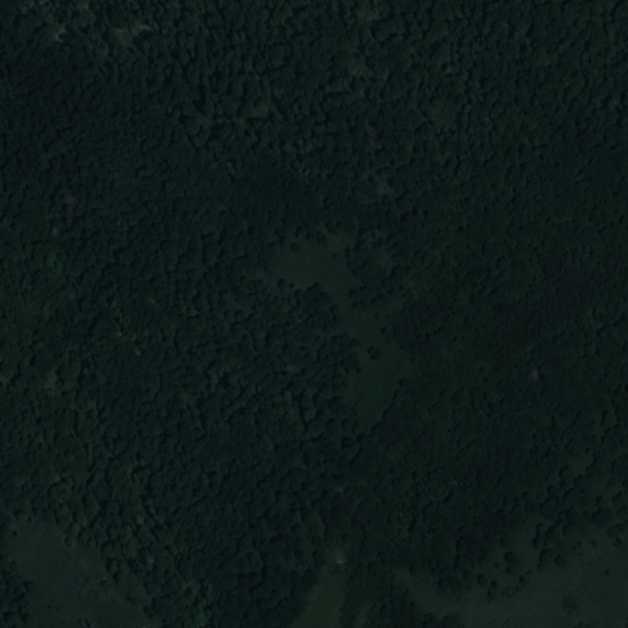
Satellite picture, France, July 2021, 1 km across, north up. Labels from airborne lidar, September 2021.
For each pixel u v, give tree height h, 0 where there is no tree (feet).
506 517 75
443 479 86
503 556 0
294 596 36
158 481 92
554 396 94
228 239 72
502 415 81
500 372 69
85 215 31
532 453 36
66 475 94
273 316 43
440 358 52
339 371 55
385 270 53
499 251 72
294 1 91
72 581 0
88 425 103
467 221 65
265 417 102
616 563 0
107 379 91
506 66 58
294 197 74
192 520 39
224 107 112
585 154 91
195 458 87
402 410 50
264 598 79
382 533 80
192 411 89
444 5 95
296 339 54
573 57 110
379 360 31
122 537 92
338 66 85
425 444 71
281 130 85
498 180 78
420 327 59
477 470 84
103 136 44
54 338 113
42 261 98
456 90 77
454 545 25
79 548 0
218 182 85
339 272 0
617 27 127
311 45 72
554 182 106
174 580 88
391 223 65
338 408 49
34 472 68
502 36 91
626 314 68
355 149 55
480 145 46
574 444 65
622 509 37
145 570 45
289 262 0
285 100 105
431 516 92
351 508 55
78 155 56
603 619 0
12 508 51
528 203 88
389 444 36
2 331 61
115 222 27
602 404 66
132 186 30
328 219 57
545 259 77
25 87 67
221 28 87
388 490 80
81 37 137
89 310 82
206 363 88
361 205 49
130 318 93
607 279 36
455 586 68
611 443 63
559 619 0
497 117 82
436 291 66
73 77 78
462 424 76
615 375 69
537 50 93
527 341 53
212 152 98
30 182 101
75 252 98
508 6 49
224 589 100
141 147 26
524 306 62
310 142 91
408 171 87
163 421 76
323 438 58
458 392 35
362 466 61
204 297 65
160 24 137
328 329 47
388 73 77
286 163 82
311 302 44
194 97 28
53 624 0
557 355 91
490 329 26
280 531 78
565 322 66
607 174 105
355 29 86
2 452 48
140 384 78
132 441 92
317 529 21
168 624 40
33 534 0
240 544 73
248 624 89
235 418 88
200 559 99
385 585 23
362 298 42
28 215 111
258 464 77
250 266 48
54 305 111
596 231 84
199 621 87
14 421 63
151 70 97
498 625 0
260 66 98
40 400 77
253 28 110
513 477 78
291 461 56
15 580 73
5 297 81
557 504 61
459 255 57
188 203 99
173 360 91
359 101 66
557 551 41
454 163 65
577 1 125
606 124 89
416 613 31
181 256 20
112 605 0
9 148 86
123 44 122
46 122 76
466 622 0
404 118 82
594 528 0
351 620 26
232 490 85
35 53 76
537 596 0
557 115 80
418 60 84
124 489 105
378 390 0
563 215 90
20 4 73
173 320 96
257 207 70
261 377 98
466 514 102
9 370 127
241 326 79
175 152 92
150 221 46
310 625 0
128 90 104
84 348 80
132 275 81
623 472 57
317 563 27
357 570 29
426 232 57
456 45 73
